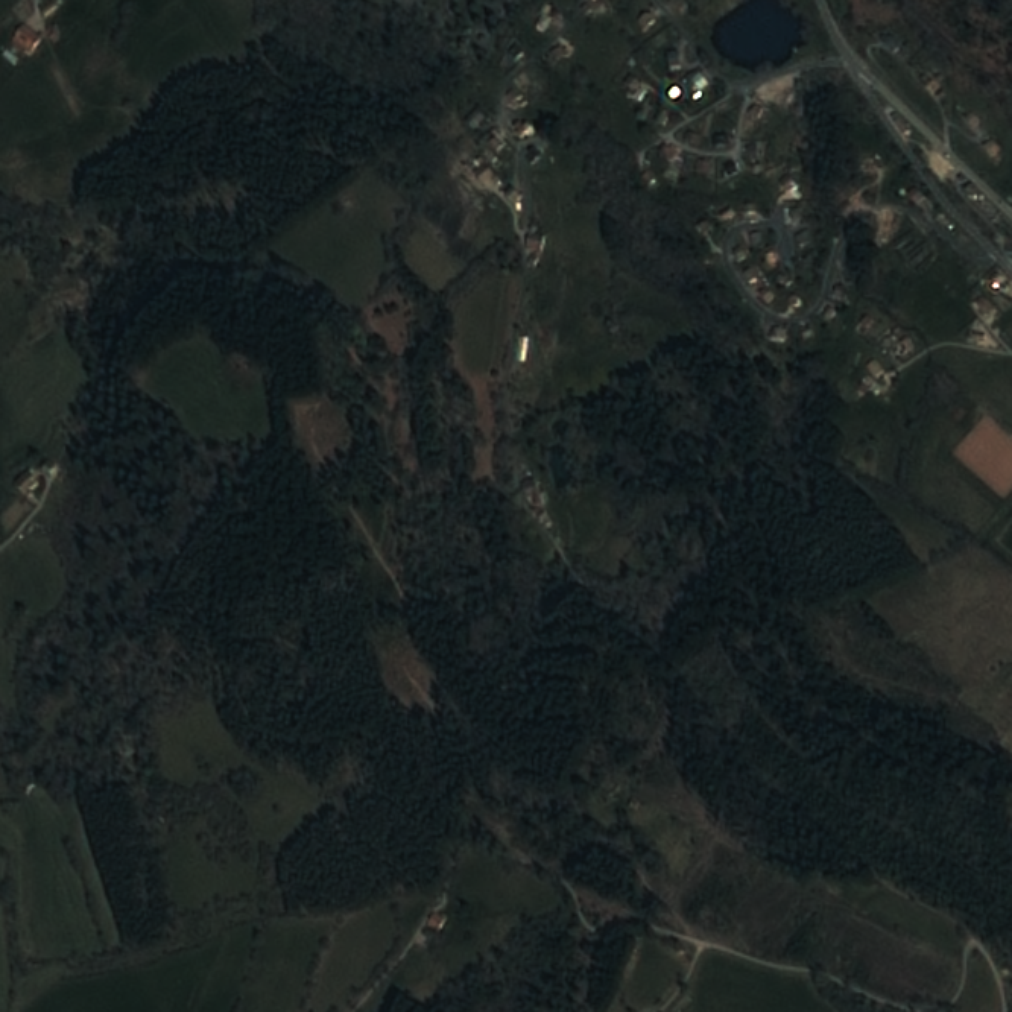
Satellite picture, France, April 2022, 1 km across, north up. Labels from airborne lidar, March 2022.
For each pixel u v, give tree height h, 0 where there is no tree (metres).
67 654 8
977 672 0
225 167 30
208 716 0
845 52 0
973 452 0
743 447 25
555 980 11
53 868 0
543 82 0
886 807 11
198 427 0
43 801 0
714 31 0
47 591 0
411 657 0
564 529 0
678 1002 0
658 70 0
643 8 0
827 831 12
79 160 0
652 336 0
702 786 25
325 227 0
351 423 0
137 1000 0
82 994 0
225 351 25
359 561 29
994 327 0
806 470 6
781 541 31
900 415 0
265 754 19
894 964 0
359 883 18
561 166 0
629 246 18
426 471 19
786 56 0
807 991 0
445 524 8
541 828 7
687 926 0
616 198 17
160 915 19
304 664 18
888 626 13
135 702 17
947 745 22
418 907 0
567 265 0
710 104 0
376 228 0
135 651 9
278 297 29
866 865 10
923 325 0
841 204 16
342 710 27
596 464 10
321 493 24
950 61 21
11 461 0
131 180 28
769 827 26
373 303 7
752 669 27
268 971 0
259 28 18
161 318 31
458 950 0
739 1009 0
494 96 0
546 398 0
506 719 34
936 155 0
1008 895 11
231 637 25
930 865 12
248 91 31
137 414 26
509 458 19
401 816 20
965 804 12
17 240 7
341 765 19
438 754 27
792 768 11
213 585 12
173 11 0
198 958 0
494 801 25
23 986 0
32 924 0
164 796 10
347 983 0
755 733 12
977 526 0
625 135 0
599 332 0
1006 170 0
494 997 14
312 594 30
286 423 23
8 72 0
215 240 22
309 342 29
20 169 0
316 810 0
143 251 19
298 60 28
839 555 29
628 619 12
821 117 34
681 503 7
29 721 6
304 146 27
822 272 8
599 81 0
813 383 18
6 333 0
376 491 25
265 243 24
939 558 16
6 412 0
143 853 16
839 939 0
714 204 12
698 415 8
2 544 0
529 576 17
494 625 33
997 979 0
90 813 17
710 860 0
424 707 0
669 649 24
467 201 0
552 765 27
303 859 17
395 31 21
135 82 0
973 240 0
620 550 0
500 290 0
